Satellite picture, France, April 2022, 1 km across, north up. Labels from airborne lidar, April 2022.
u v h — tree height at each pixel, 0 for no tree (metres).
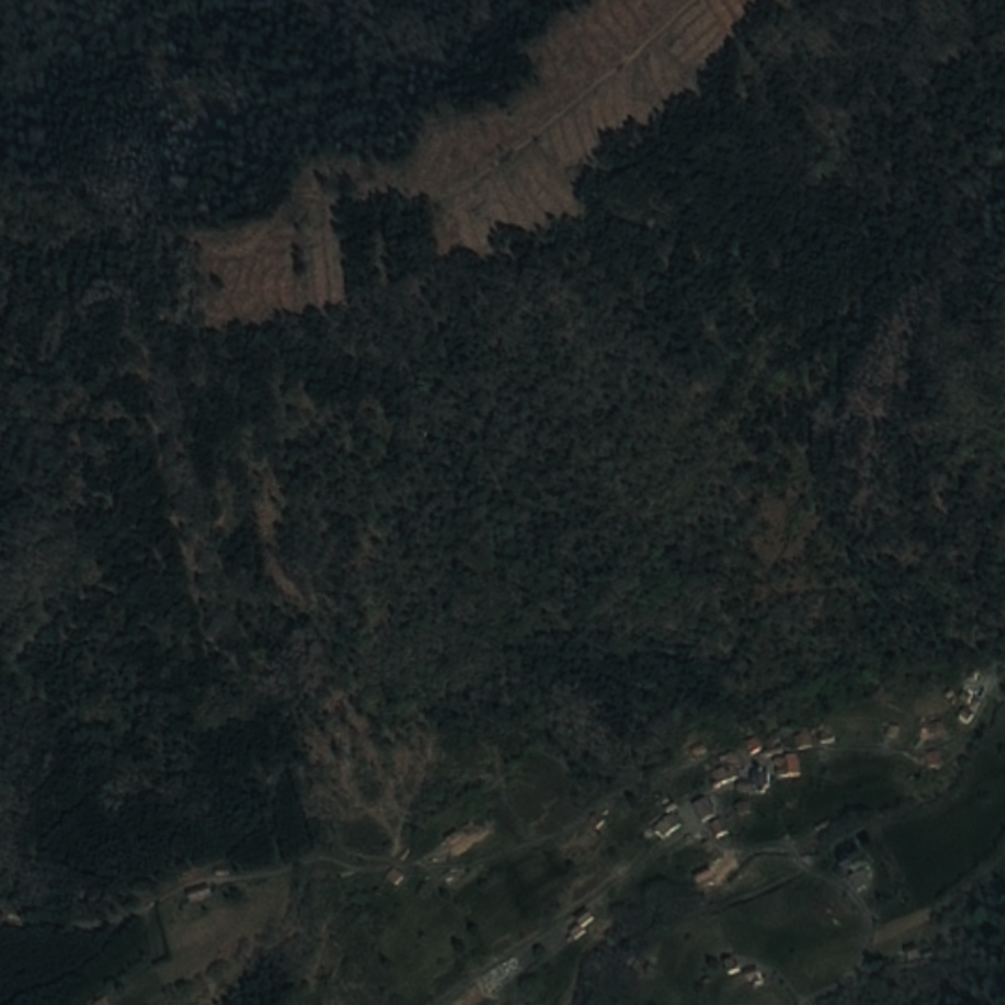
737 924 0
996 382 22
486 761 0
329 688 26
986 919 24
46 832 22
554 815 0
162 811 21
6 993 20
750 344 15
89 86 13
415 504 20
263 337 29
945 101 24
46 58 27
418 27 23
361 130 14
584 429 23
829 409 40
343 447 25
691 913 14
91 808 19
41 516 21
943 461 27
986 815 0
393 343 25
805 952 0
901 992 16
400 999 11
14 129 29
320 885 12
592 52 0
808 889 0
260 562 19
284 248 0
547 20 9
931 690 20
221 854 21
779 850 0
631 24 0
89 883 17
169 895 0
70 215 15
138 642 23
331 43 20
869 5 28
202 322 17
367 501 20
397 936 0
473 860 0
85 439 15
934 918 7
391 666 20
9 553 22
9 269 9
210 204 10
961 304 19
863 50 23
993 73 30
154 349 13
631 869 0
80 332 15
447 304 25
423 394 27
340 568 22
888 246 27
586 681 30
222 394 18
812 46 18
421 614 23
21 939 18
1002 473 26
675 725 30
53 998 22
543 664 23
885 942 0
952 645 13
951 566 28
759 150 21
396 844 9
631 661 10
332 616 29
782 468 11
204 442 22
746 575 7
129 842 22
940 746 0
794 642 21
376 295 22
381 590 23
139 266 11
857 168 26
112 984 8
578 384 22
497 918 0
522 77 13
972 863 0
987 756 0
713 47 0
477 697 33
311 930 19
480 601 32
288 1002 26
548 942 0
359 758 22
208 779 12
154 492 14
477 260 21
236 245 0
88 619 11
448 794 20
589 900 0
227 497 18
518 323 24
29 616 16
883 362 25
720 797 0
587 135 0
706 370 26
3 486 28
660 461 23
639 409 17
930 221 28
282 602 20
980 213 20
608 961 21
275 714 11
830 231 24
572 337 20
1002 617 25
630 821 0
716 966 9
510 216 0
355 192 13
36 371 13
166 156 27
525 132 0
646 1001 0
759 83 20
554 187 0
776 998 0
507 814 0
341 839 24
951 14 25
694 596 26
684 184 17
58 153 14
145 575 19
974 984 13
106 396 9
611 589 16
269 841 16
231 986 0
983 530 32
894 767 0
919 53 30
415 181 0
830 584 12
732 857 0
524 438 25
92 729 19
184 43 23
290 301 0
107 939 19
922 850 0
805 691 19
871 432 25
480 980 0
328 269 0
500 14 17
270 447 20
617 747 24
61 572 19
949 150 26
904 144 24
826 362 30
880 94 20
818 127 20
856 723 0
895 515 21
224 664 30
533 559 24
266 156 22
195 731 24
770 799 0
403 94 9
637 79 0
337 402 20
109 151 17
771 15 16
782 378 34
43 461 23
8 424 21
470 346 19
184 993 18
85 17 30
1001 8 26
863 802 0
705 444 12
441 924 0
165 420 31
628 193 21
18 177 6
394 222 21
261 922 0
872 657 16
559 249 20
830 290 19
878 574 27
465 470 35
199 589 14
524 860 0
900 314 24
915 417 22
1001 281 22
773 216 22
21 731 21
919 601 26
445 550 21
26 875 25
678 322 25
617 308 32
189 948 0
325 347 24
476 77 14
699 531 13
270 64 19
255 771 11
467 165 0
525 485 24
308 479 25
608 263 22
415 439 28
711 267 27
